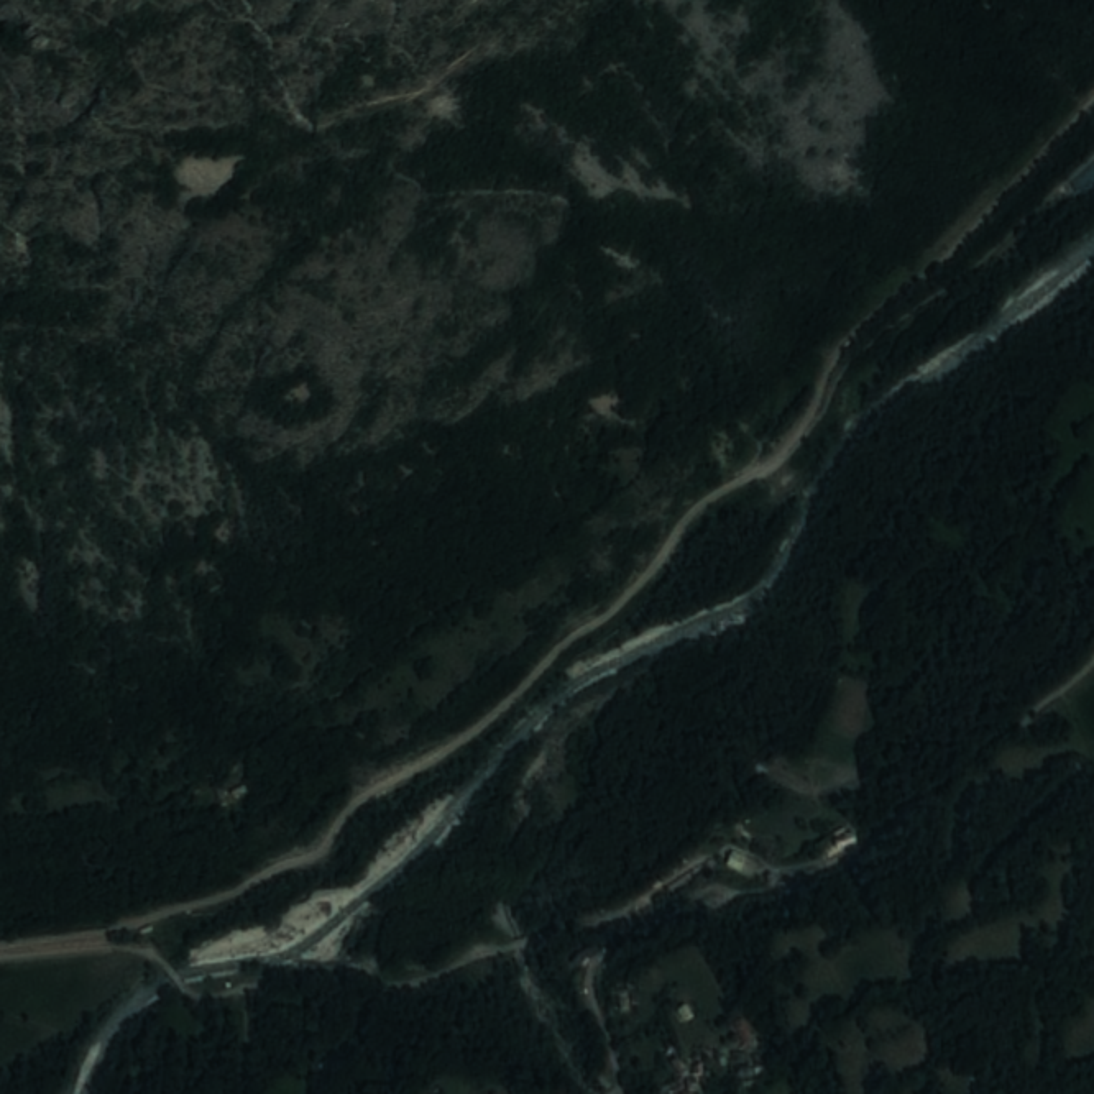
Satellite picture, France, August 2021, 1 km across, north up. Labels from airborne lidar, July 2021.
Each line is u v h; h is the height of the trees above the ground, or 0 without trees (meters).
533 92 13
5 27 16
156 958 0
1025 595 15
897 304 21
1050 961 19
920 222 14
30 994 0
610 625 10
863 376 0
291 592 24
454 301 6
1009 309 0
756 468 0
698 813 15
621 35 21
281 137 6
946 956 10
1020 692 22
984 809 23
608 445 15
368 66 10
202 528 16
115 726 10
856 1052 0
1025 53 18
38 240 14
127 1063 14
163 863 28
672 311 20
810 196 8
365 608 21
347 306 8
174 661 17
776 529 16
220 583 9
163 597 13
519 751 10
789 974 11
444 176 13
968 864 23
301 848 9
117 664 12
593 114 13
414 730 11
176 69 9
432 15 12
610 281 9
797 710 17
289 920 0
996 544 15
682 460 10
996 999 23
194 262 9
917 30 15
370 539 17
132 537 6
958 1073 15
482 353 10
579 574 7
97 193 15
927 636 7
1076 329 17
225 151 14
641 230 14
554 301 10
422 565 25
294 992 17
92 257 10
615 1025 10
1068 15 16
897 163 14
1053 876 0
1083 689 0
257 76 10
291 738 22
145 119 11
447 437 20
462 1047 13
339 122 7
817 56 9
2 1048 0
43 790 16
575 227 15
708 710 11
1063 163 15
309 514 18
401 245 8
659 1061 8
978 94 18
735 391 23
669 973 0
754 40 13
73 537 6
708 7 7
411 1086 16
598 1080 7
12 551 11
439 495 19
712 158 12
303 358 7
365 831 26
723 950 25
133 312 6
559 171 17
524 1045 11
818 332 16
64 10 7
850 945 15
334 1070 25
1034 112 14
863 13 15
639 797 14
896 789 16
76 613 13
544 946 20
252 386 6
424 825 0
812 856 10
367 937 9
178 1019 0
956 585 9
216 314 6
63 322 12
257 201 9
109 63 6
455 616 21
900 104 11
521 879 10
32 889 21
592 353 10
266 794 21
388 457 18
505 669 15
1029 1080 19
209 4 7
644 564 7
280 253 9
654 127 10
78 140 15
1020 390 13
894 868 20
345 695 8
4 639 23
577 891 19
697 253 13
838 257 13
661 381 16
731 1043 8
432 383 8
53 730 16
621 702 14
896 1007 13
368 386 6
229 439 5
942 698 19
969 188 18
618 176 7
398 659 13
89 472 7
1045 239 19
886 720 16
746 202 11
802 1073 22
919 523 21
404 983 0
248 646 16
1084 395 0
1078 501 0
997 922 17
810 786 0
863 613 10
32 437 6
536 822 8
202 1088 26
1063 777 14
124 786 24
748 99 6
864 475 15
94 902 26
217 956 0
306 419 10
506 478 18
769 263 12
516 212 7
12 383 8
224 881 8
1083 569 22
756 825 0
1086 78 18
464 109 7
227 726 14
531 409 13
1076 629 22
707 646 9
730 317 6
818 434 7
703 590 16
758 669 17
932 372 0
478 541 23
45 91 9
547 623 9
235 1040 10
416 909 6
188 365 5
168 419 9
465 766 20
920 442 16
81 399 10
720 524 24
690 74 10
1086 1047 0
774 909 7
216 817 20
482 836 14
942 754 26
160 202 10
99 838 21
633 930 9
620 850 19
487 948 0
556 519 25
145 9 10
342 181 7
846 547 16
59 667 19
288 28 9
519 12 9
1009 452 20
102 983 0
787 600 10
